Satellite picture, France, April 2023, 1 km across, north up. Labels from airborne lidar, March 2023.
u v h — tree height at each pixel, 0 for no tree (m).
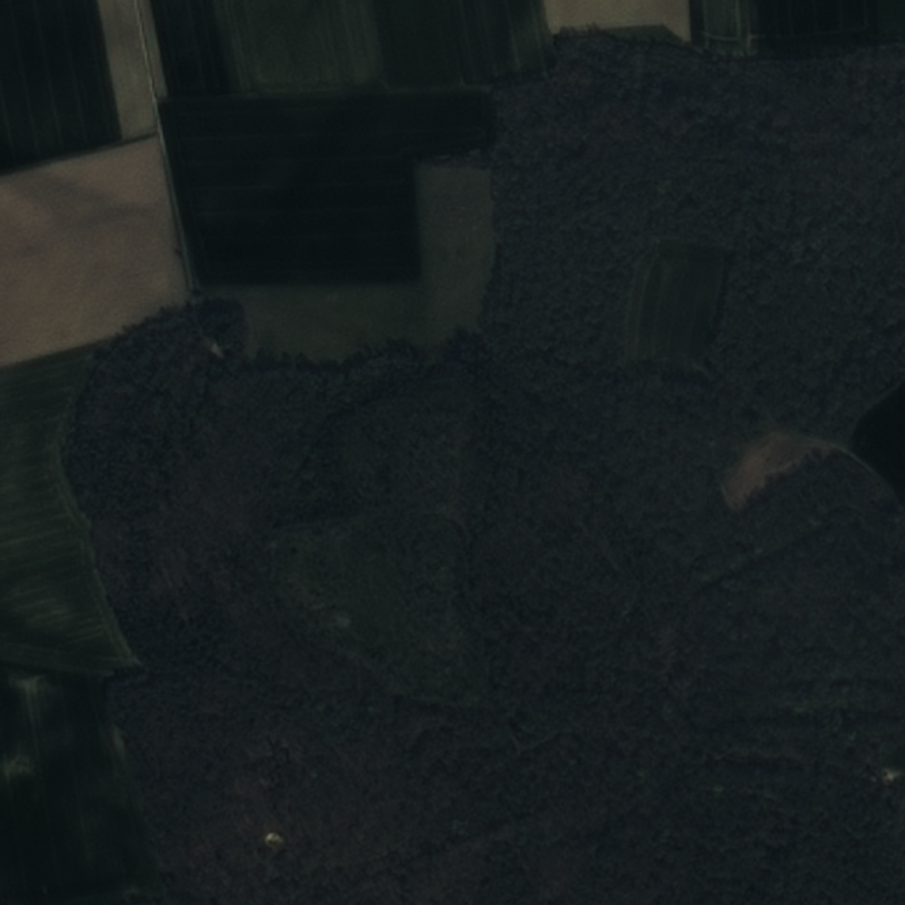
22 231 0
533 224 17
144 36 0
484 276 0
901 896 19
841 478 21
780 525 20
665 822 19
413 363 20
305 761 15
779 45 0
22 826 0
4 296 0
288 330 0
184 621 9
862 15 0
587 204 19
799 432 19
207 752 16
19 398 0
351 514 11
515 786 19
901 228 24
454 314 0
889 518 14
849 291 25
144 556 14
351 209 0
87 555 0
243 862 17
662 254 0
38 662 0
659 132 24
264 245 0
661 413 25
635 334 0
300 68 0
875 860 21
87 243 0
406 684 18
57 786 0
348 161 0
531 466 19
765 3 0
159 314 0
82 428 13
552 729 17
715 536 23
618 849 16
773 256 14
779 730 16
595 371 15
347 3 0
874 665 13
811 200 19
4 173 0
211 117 0
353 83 0
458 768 19
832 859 23
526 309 19
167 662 15
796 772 18
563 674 18
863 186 20
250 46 0
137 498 13
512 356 21
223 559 14
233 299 0
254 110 0
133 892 0
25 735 0
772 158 20
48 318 0
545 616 13
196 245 0
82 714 0
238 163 0
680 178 19
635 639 17
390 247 0
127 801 0
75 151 0
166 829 16
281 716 18
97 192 0
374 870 17
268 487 14
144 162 0
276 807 15
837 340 24
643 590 19
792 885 19
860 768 18
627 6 0
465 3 0
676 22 0
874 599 24
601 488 24
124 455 16
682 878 22
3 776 0
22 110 0
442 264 0
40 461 0
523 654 19
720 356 19
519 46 0
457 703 11
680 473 27
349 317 0
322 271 0
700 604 24
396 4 0
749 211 17
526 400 23
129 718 16
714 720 20
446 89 0
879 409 0
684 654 12
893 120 16
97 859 0
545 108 17
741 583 24
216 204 0
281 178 0
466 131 0
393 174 0
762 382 13
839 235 19
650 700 13
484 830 10
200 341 13
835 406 23
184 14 0
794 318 26
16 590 0
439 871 12
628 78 15
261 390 17
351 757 20
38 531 0
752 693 16
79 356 0
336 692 18
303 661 19
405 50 0
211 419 13
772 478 0
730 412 22
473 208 0
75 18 0
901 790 14
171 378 18
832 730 12
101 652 0
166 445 14
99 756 0
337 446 15
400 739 15
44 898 0
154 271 0
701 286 0
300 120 0
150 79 0
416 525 12
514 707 15
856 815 22
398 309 0
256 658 18
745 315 20
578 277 18
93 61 0
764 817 19
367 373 18
